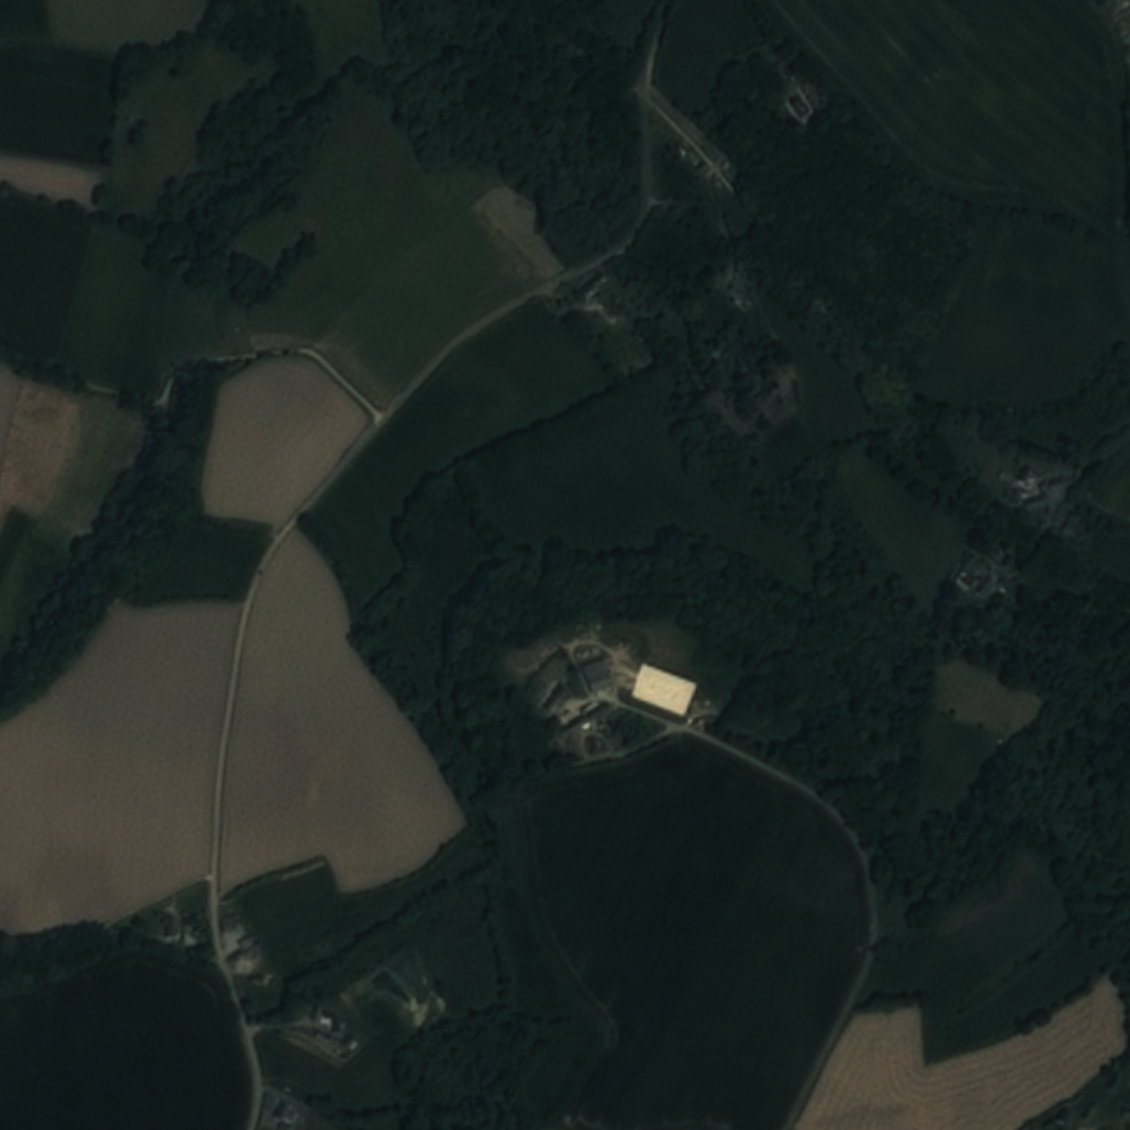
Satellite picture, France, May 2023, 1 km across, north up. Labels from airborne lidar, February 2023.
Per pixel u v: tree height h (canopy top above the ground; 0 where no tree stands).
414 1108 9
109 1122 0
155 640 0
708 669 0
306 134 17
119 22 0
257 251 0
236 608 0
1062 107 0
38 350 0
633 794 0
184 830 0
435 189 0
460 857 0
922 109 0
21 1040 0
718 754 0
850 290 18
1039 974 0
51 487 0
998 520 21
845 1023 0
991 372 0
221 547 0
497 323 0
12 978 22
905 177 11
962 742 0
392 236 0
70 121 0
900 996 7
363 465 0
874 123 0
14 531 0
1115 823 6
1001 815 16
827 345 14
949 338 0
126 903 0
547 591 18
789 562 0
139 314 0
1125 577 0
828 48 0
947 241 16
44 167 0
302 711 0
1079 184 0
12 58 0
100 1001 0
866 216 15
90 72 0
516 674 0
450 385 0
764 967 0
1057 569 18
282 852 0
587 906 0
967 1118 0
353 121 0
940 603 14
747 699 19
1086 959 0
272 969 0
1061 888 9
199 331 0
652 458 0
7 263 0
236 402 0
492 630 21
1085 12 0
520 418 0
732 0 0
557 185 25
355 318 0
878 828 22
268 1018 10
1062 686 12
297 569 0
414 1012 0
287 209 6
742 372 9
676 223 7
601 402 14
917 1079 0
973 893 7
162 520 20
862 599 8
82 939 16
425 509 14
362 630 16
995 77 0
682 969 0
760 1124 0
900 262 17
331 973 11
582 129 9
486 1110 26
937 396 0
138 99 0
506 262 0
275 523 0
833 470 10
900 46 0
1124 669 10
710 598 18
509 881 0
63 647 21
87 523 0
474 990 0
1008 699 0
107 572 22
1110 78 0
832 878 0
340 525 0
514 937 0
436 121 9
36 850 0
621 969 0
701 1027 0
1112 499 0
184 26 0
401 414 0
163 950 12
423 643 0
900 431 23
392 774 0
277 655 0
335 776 0
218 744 0
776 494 12
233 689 0
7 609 0
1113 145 0
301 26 17
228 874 0
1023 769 6
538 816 0
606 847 0
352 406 0
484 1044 16
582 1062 0
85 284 0
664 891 0
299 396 0
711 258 14
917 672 14
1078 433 0
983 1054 0
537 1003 0
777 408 23
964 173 0
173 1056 0
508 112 17
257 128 11
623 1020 0
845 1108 0
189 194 11
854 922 0
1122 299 0
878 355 19
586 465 0
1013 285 0
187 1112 0
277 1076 0
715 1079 0
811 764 14
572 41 20
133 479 7
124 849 0
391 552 0
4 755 0
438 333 0
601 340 7
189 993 0
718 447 7
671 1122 0
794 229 16
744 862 0
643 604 19
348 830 0
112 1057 0
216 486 0
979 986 0
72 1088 0
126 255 0
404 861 0
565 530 0
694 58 0
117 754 0
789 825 0
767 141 21
